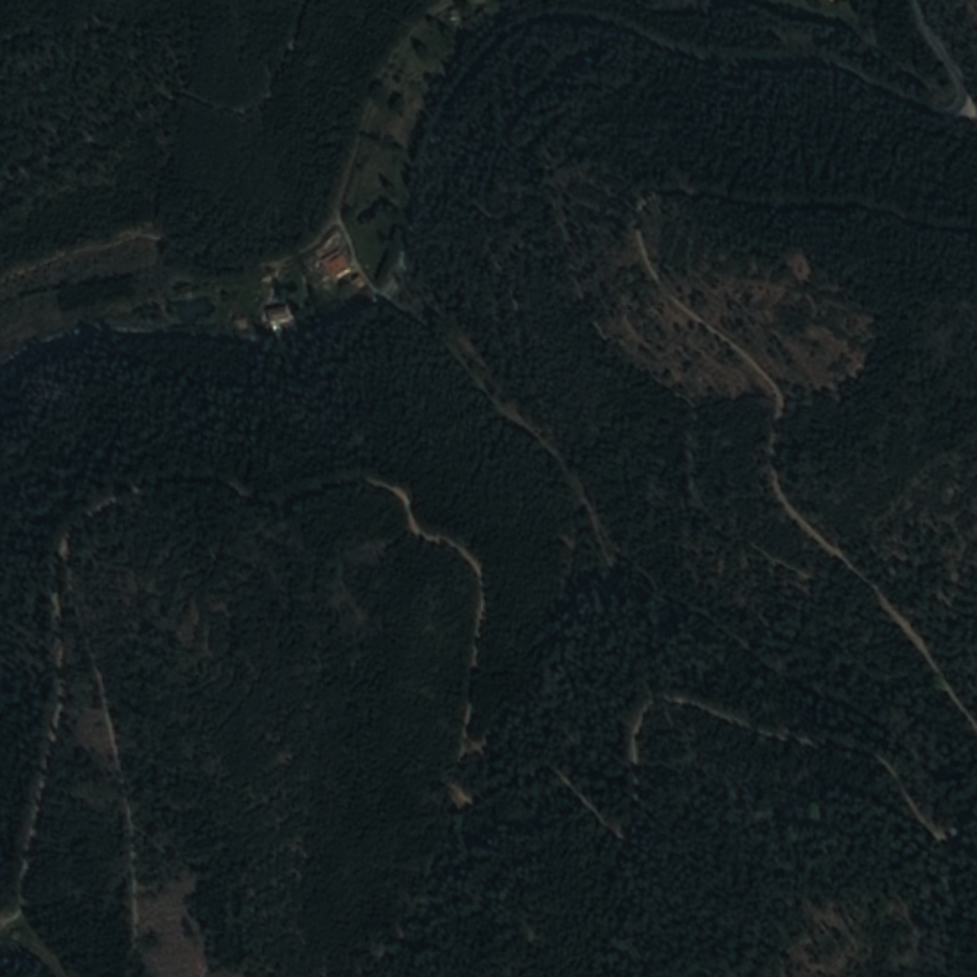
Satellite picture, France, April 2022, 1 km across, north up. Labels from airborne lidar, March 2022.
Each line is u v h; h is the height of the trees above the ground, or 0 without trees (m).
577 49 25
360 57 20
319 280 0
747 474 13
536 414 22
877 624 23
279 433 16
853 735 10
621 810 35
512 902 11
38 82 24
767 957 26
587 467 19
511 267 22
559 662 42
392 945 19
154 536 9
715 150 20
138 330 0
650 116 14
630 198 8
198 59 14
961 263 17
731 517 10
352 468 16
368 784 11
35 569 25
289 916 9
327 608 20
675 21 22
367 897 12
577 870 25
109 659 9
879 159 18
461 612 13
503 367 29
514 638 24
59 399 26
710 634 16
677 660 34
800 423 10
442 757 15
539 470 23
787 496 11
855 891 25
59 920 14
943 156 21
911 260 19
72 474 22
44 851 8
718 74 16
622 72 30
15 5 18
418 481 10
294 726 11
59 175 26
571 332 21
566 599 8
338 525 17
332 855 9
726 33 31
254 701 9
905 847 31
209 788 6
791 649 36
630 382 11
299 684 10
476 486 17
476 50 18
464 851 31
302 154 19
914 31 20
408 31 10
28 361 9
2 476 12
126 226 21
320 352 23
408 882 15
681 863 25
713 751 8
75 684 7
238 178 14
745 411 11
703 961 26
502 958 17
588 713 31
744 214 18
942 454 8
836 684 33
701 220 14
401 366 18
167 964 0
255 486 23
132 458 26
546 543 17
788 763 13
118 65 26
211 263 19
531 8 24
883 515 9
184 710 6
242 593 11
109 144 26
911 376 14
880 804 7
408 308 19
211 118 16
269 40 19
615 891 23
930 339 18
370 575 20
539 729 34
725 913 25
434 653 10
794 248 18
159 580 6
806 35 29
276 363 21
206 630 6
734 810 23
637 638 33
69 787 10
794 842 25
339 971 8
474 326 22
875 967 12
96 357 22
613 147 13
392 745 12
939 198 18
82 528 26
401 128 0
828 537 8
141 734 7
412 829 14
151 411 25
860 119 21
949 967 17
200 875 17
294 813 9
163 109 32
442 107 18
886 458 10
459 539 18
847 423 14
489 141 15
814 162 20
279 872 10
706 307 25
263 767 10
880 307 17
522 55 21
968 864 36
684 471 14
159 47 27
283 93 18
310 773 10
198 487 20
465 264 23
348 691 9
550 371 25
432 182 13
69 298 18
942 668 19
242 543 19
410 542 13
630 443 21
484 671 20
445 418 19
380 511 7
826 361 24
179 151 14
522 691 26
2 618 18
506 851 25
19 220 27
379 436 13
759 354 29
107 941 15
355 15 17
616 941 14
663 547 9
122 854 7
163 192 23
